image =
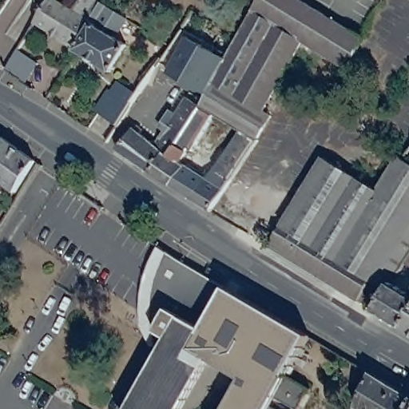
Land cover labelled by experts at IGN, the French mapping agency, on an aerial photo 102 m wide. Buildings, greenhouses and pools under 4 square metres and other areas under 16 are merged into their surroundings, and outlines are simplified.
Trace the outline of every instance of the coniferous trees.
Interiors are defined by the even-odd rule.
[[[240,18],[241,10],[248,0],[204,0],[211,5],[204,16],[208,16],[212,21],[224,22],[224,30],[233,30],[236,19]]]

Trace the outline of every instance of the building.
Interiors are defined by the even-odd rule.
[[[21,53],[22,48],[19,46],[11,56],[10,62],[0,70],[0,85],[3,88],[10,88],[10,85],[18,83],[26,85],[26,81],[29,80],[34,85],[38,80],[34,70],[40,66],[38,61],[30,61]]]
[[[128,99],[133,93],[126,89],[125,85],[118,85],[115,80],[110,81],[101,91],[94,99],[93,109],[97,115],[109,121],[109,126],[113,126],[112,131],[117,131],[118,126],[128,118],[129,112],[133,109],[133,104],[129,104]]]
[[[409,399],[399,396],[398,390],[369,372],[364,372],[361,379],[355,395],[351,398],[350,409],[409,409]]]
[[[339,168],[334,168],[328,161],[318,158],[292,198],[291,204],[273,230],[267,248],[297,267],[304,268],[318,280],[329,284],[350,299],[361,302],[367,312],[379,316],[387,323],[393,323],[393,329],[404,329],[404,332],[409,334],[409,166],[399,160],[388,163],[372,189],[343,173]]]
[[[0,197],[14,201],[19,193],[24,197],[38,173],[51,177],[54,181],[58,169],[53,168],[50,171],[42,165],[35,165],[24,153],[13,149],[11,144],[0,137]]]
[[[42,30],[45,30],[46,38],[54,38],[59,45],[66,46],[67,51],[73,51],[83,58],[89,59],[94,66],[105,67],[107,72],[112,72],[121,53],[128,50],[123,45],[125,38],[121,35],[121,26],[126,21],[112,10],[97,3],[96,0],[43,0],[32,21],[35,27]]]
[[[236,174],[240,173],[240,169],[259,144],[260,136],[270,125],[272,117],[268,117],[264,112],[264,102],[267,101],[270,91],[275,91],[275,80],[281,77],[286,66],[294,58],[292,50],[299,43],[321,54],[323,61],[336,66],[339,61],[340,56],[353,56],[356,51],[351,50],[353,38],[348,37],[350,30],[300,0],[254,0],[225,51],[222,51],[222,46],[214,38],[189,26],[184,27],[181,37],[177,38],[176,45],[169,51],[165,64],[157,62],[153,66],[157,72],[165,70],[171,80],[182,81],[189,93],[200,93],[200,101],[195,105],[181,93],[177,94],[176,101],[173,102],[176,110],[168,110],[161,117],[161,121],[169,126],[169,131],[163,139],[150,142],[141,133],[129,128],[125,136],[121,137],[121,141],[118,141],[120,147],[115,152],[133,161],[134,165],[141,166],[144,169],[141,176],[153,187],[161,184],[165,189],[189,198],[193,203],[203,206],[208,204],[208,211],[211,211],[216,208],[220,198],[224,197],[235,179]],[[212,120],[219,118],[224,123],[230,123],[236,134],[227,145],[227,149],[220,153],[216,166],[206,176],[201,176],[189,166],[182,165],[182,149],[193,141],[208,115],[211,115]]]
[[[201,275],[197,270],[193,270],[176,257],[169,256],[168,252],[161,249],[153,249],[149,262],[145,265],[137,307],[137,326],[141,329],[145,343],[152,350],[149,351],[117,409],[182,409],[185,399],[189,398],[193,387],[197,385],[204,366],[212,355],[216,356],[217,363],[222,369],[225,364],[235,364],[235,367],[238,367],[238,371],[230,377],[230,387],[225,391],[224,398],[220,399],[217,409],[305,409],[305,404],[310,399],[307,388],[292,382],[291,372],[299,371],[302,361],[312,363],[308,353],[316,343],[315,340],[300,336],[299,332],[292,331],[280,321],[273,320],[257,308],[232,296],[230,292],[220,288],[212,289],[208,284],[208,276]]]

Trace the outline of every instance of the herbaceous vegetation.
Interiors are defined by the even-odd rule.
[[[56,105],[59,110],[66,112],[69,110],[73,94],[77,93],[77,86],[61,86],[58,97],[61,102]]]
[[[101,313],[101,320],[91,321],[94,313],[89,305],[72,299],[67,310],[66,323],[59,334],[51,332],[50,345],[45,351],[38,351],[32,371],[53,383],[56,390],[69,388],[72,391],[73,409],[117,409],[149,351],[152,350],[145,343],[141,329],[137,326],[137,307],[131,307],[118,299],[113,292],[102,289],[101,294],[109,297],[109,312]],[[120,332],[123,339],[123,348],[118,353],[115,369],[107,382],[107,387],[112,390],[109,407],[91,401],[88,388],[69,379],[70,366],[77,364],[75,351],[85,350],[89,345],[94,345],[101,332],[107,337],[113,337],[115,332]]]
[[[254,0],[248,0],[241,10],[240,18],[236,19],[233,30],[224,30],[224,22],[212,21],[208,16],[204,16],[211,5],[204,0],[131,0],[123,13],[120,10],[112,10],[126,21],[121,26],[121,35],[125,38],[123,45],[128,50],[121,53],[112,72],[107,72],[105,67],[94,66],[89,59],[83,58],[83,64],[75,67],[75,73],[88,73],[93,80],[101,78],[101,83],[97,85],[97,89],[101,91],[110,81],[115,80],[118,85],[125,85],[126,89],[133,93],[145,77],[145,73],[153,66],[157,62],[161,54],[165,53],[169,42],[173,42],[176,32],[181,30],[184,19],[179,19],[163,45],[145,42],[147,53],[152,56],[142,66],[141,62],[134,61],[129,48],[134,43],[136,27],[141,26],[142,16],[157,10],[158,5],[169,8],[171,3],[187,6],[190,13],[193,14],[189,26],[214,38],[222,46],[222,51],[225,51]]]
[[[8,320],[11,326],[3,329],[0,334],[0,359],[8,359],[8,356],[18,353],[22,340],[29,336],[30,332],[24,329],[24,320],[27,316],[42,315],[46,302],[51,299],[54,278],[61,272],[61,264],[56,257],[38,248],[37,244],[30,243],[26,238],[16,248],[19,254],[22,262],[22,286],[2,300],[2,304],[8,307]]]
[[[339,168],[343,173],[372,189],[388,163],[382,163],[374,152],[361,147],[359,158],[364,158],[367,163],[374,165],[374,176],[351,168],[350,161],[343,161]]]
[[[320,393],[324,391],[326,395],[334,395],[340,387],[337,380],[332,380],[320,367],[326,359],[321,353],[320,343],[316,343],[308,353],[312,363],[302,361],[299,371],[291,372],[292,382],[307,388],[313,385]]]
[[[272,117],[273,113],[278,112],[281,102],[276,102],[275,91],[270,91],[267,101],[264,102],[264,112],[268,117]]]
[[[283,85],[288,88],[297,85],[313,86],[321,94],[323,91],[331,91],[336,85],[342,85],[342,78],[337,75],[339,69],[336,66],[323,61],[321,54],[299,43],[292,50],[294,58],[286,66],[281,77]]]
[[[364,64],[367,69],[377,73],[377,62],[372,58],[371,51],[364,46],[356,51],[353,56],[340,56],[339,61],[340,64]]]

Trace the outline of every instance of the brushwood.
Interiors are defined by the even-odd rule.
[[[53,383],[32,371],[24,371],[24,383],[32,383],[32,387],[38,388],[45,395],[53,395],[56,390]]]
[[[326,409],[326,395],[324,391],[320,393],[313,385],[307,388],[310,399],[305,404],[305,409]]]
[[[380,19],[380,14],[387,10],[388,0],[374,0],[359,21],[361,29],[356,32],[350,30],[348,37],[353,38],[351,50],[356,51],[364,46],[374,34],[374,27]]]

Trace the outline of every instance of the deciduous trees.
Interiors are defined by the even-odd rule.
[[[58,69],[58,73],[54,75],[56,83],[48,93],[51,102],[56,105],[61,102],[58,97],[61,86],[77,86],[77,93],[73,94],[69,110],[66,112],[67,117],[85,126],[88,126],[94,115],[97,115],[93,109],[94,99],[101,91],[97,89],[97,85],[101,83],[101,78],[93,80],[88,73],[75,73],[75,67],[83,64],[83,58],[73,51],[67,51],[66,46],[59,45],[54,38],[46,38],[45,30],[42,30],[40,34],[26,35],[19,46],[22,48],[21,53],[30,61],[38,61],[45,59],[48,66]]]
[[[153,240],[161,238],[163,232],[158,225],[157,212],[150,211],[145,204],[141,204],[139,209],[126,214],[121,230],[126,233],[128,240],[134,243],[150,244]]]
[[[320,367],[332,380],[337,380],[340,387],[334,395],[326,395],[326,409],[350,409],[351,398],[355,395],[361,379],[359,375],[353,377],[350,374],[350,363],[347,359],[339,356],[336,361],[326,359]]]
[[[404,155],[404,149],[401,149],[406,139],[399,136],[396,128],[391,131],[383,128],[379,133],[367,134],[358,142],[361,147],[374,152],[382,163],[388,163],[399,160],[409,166],[409,155]]]
[[[120,10],[123,13],[131,0],[96,0],[97,3],[112,10]]]
[[[367,163],[364,158],[359,158],[350,161],[351,168],[374,176],[374,165]]]
[[[22,286],[22,262],[19,254],[14,259],[6,257],[0,264],[0,334],[3,329],[11,326],[8,320],[8,307],[2,304],[2,300]]]
[[[190,13],[187,6],[171,3],[169,8],[158,5],[157,10],[142,16],[141,26],[136,27],[134,43],[129,48],[134,61],[141,62],[142,66],[152,56],[147,53],[145,42],[163,45],[179,19],[184,19]]]
[[[115,332],[113,337],[107,337],[101,332],[94,345],[89,345],[85,350],[75,351],[77,364],[70,366],[69,379],[88,388],[91,401],[109,407],[112,390],[107,387],[107,382],[115,369],[118,353],[123,348],[123,339],[120,332]]]
[[[331,91],[323,91],[321,94],[313,86],[297,85],[288,88],[283,85],[281,77],[275,80],[275,91],[276,102],[281,102],[278,112],[286,120],[310,125],[328,123],[345,133],[351,133],[353,129],[359,128],[359,121],[393,120],[398,117],[399,110],[409,97],[409,62],[404,64],[403,72],[399,72],[395,78],[390,75],[388,78],[380,77],[377,73],[367,69],[364,64],[340,64],[339,61],[336,66],[339,69],[337,75],[342,78],[342,85],[336,85]]]
[[[94,313],[91,321],[101,320],[101,313],[109,312],[109,297],[101,294],[102,289],[75,292],[72,299],[89,305]]]
[[[72,198],[78,198],[78,195],[88,193],[86,185],[93,181],[93,171],[86,163],[70,163],[58,169],[54,181],[56,189]]]

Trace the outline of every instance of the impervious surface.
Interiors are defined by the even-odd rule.
[[[395,78],[399,72],[403,72],[404,64],[409,62],[409,0],[388,0],[387,10],[380,14],[380,19],[374,27],[374,34],[364,46],[371,51],[372,58],[377,62],[377,73],[380,77],[388,78],[390,75]]]
[[[235,367],[235,364],[225,364],[222,369],[217,363],[216,356],[212,355],[204,366],[197,385],[193,387],[189,398],[185,399],[182,409],[217,409],[220,399],[224,398],[225,391],[230,387],[230,377],[238,371],[238,367]]]
[[[409,97],[399,110],[398,117],[393,120],[359,121],[359,128],[353,129],[351,133],[345,133],[328,123],[310,125],[286,120],[278,112],[273,113],[272,117],[270,125],[260,136],[259,144],[240,169],[240,173],[236,174],[235,179],[252,185],[268,185],[273,190],[288,193],[292,198],[318,158],[328,161],[334,168],[339,168],[343,161],[350,161],[359,158],[361,147],[358,142],[367,134],[379,133],[383,128],[391,131],[396,128],[399,136],[406,139],[401,149],[404,149],[404,155],[409,155]]]
[[[165,64],[169,51],[176,45],[177,38],[181,37],[184,27],[189,26],[193,14],[190,13],[184,19],[181,30],[176,32],[173,42],[169,42],[165,53],[161,54],[157,62]]]
[[[0,70],[10,62],[11,56],[19,46],[26,35],[40,34],[42,30],[35,27],[32,21],[43,0],[0,0]]]
[[[350,30],[356,32],[361,29],[359,21],[374,0],[300,0]]]
[[[50,345],[51,332],[59,334],[66,323],[67,310],[72,299],[75,292],[102,289],[113,292],[118,299],[131,307],[137,307],[145,265],[149,262],[153,249],[161,249],[168,252],[169,256],[176,257],[193,270],[197,270],[201,275],[208,276],[208,284],[212,289],[220,288],[230,292],[232,296],[257,308],[273,320],[280,321],[292,331],[299,332],[300,336],[315,340],[316,343],[320,343],[321,353],[326,359],[336,361],[339,356],[347,359],[350,363],[350,374],[353,377],[359,375],[361,379],[364,372],[369,372],[398,390],[399,396],[409,399],[409,334],[404,332],[404,329],[393,329],[393,323],[387,323],[379,316],[367,312],[361,302],[350,299],[329,284],[318,280],[304,268],[297,267],[267,248],[249,248],[241,241],[235,240],[233,235],[238,228],[220,220],[211,211],[208,211],[208,204],[203,206],[193,203],[189,198],[165,189],[161,184],[153,187],[141,176],[144,169],[141,166],[134,165],[133,161],[115,152],[120,147],[118,141],[121,141],[121,137],[125,136],[129,128],[141,133],[150,142],[163,139],[169,131],[169,126],[161,121],[161,117],[168,110],[176,110],[173,102],[176,101],[177,94],[181,93],[195,105],[200,101],[200,93],[189,93],[182,81],[171,80],[165,70],[157,72],[153,66],[145,73],[145,77],[133,93],[128,99],[129,104],[133,104],[133,109],[129,112],[128,118],[118,126],[117,131],[112,131],[113,126],[109,126],[109,121],[97,115],[94,115],[88,126],[85,126],[67,117],[66,112],[59,110],[56,105],[51,102],[48,93],[56,83],[54,75],[58,73],[58,69],[48,66],[45,59],[38,61],[40,66],[34,70],[38,80],[34,85],[29,80],[26,81],[26,85],[18,83],[10,85],[10,88],[3,88],[0,85],[0,137],[11,144],[13,149],[24,153],[35,165],[42,165],[50,171],[53,168],[58,169],[70,163],[86,163],[93,171],[93,181],[86,185],[88,193],[78,195],[78,198],[72,198],[56,189],[54,181],[51,177],[38,173],[24,197],[19,193],[14,201],[0,197],[0,264],[6,257],[14,259],[19,254],[16,248],[26,238],[30,243],[37,244],[38,248],[56,257],[61,264],[61,272],[54,278],[51,299],[46,302],[42,315],[27,316],[24,320],[24,329],[30,332],[29,336],[22,340],[18,353],[8,356],[8,359],[0,359],[0,409],[73,409],[72,391],[69,388],[56,390],[53,395],[45,395],[38,388],[32,387],[32,383],[24,383],[24,371],[32,371],[38,351],[45,351]],[[126,233],[121,230],[126,214],[139,209],[141,204],[145,204],[150,211],[157,212],[158,225],[163,232],[161,238],[153,240],[150,244],[134,243],[128,240]]]

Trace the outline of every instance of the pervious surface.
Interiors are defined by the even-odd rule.
[[[224,197],[220,198],[216,208],[211,211],[220,220],[238,228],[233,235],[235,240],[241,241],[249,248],[267,248],[273,230],[291,204],[292,198],[288,193],[273,190],[268,185],[252,185],[235,179]]]
[[[224,123],[219,118],[212,120],[211,115],[208,115],[193,141],[182,149],[182,165],[189,166],[201,176],[206,176],[216,166],[220,153],[227,149],[227,145],[236,134],[230,123]]]

